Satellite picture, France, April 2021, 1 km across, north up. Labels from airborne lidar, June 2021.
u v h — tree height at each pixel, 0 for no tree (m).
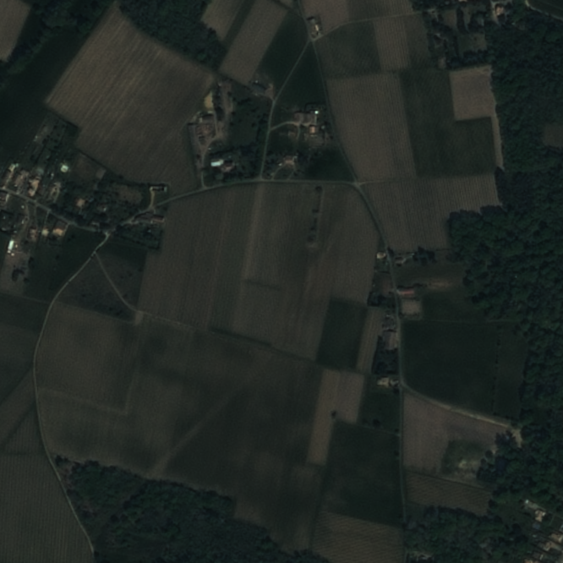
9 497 0
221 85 0
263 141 13
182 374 0
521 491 16
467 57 12
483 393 0
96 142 0
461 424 0
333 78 0
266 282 0
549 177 9
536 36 22
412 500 0
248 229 0
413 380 0
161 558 0
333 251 0
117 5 0
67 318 0
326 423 0
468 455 0
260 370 0
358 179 0
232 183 14
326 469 0
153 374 0
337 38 0
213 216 0
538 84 21
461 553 20
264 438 0
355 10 0
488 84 0
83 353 0
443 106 0
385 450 0
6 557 0
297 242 0
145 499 11
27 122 0
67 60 0
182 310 0
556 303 15
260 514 0
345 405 0
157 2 13
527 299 14
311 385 0
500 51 13
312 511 0
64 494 0
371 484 0
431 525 19
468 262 18
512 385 0
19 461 0
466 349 0
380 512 0
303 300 0
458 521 12
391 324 9
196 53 8
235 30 0
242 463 0
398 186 0
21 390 0
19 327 0
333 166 0
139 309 0
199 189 0
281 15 0
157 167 0
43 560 0
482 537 20
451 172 0
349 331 0
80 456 0
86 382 0
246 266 0
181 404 0
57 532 0
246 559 21
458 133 0
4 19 0
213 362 0
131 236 9
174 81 0
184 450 0
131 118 0
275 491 0
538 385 11
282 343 0
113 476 15
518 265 18
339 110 0
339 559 0
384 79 0
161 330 0
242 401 0
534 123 14
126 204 6
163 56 0
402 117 0
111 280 0
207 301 0
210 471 0
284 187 0
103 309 0
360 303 0
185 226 0
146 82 0
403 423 0
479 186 0
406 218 0
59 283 0
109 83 0
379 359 7
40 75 0
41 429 0
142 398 0
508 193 17
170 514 12
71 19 17
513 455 30
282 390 0
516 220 10
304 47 0
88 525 8
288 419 0
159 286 0
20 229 0
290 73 0
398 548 0
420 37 0
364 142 0
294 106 0
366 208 0
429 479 0
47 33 24
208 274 0
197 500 17
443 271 0
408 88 0
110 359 0
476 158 0
